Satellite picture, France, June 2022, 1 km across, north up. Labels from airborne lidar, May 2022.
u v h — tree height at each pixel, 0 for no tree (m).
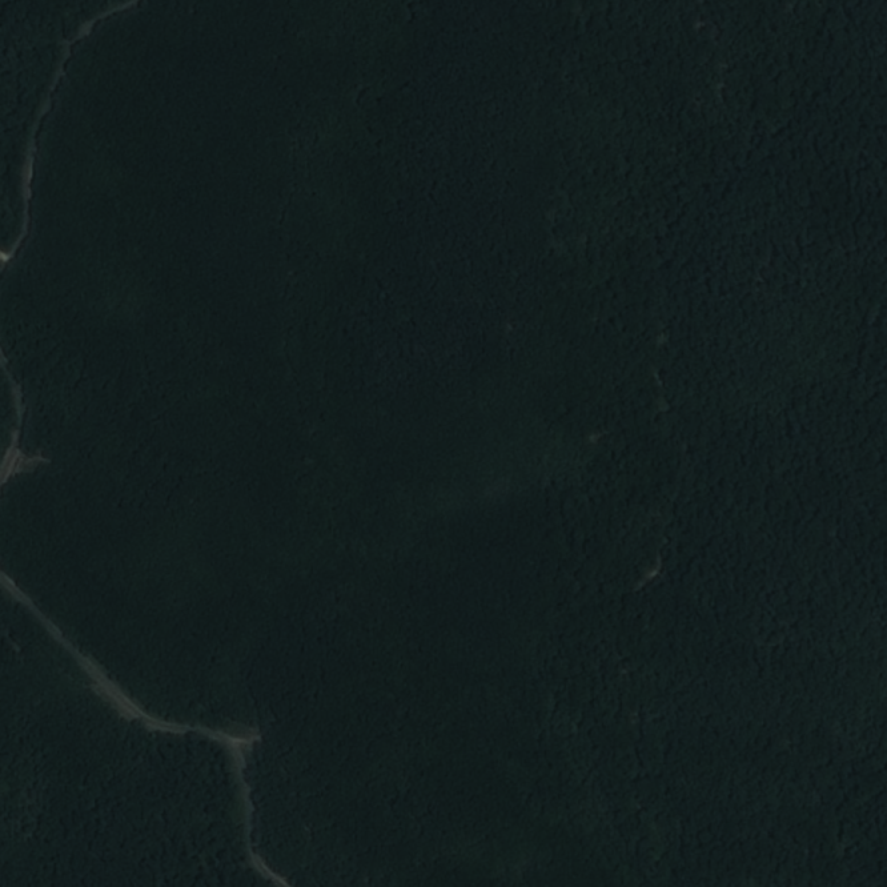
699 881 19
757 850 15
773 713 12
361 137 24
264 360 16
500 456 9
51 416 17
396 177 25
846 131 33
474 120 16
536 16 18
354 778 15
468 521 18
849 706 16
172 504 15
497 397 11
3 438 10
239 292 16
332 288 16
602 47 24
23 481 14
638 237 30
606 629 24
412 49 23
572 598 13
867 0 21
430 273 17
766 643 6
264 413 23
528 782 19
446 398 11
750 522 29
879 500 29
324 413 20
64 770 18
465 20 17
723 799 18
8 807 11
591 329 22
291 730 16
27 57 19
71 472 15
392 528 10
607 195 23
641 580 28
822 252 18
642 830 23
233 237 14
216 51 18
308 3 14
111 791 21
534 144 12
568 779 16
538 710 12
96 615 22
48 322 22
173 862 26
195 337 20
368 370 20
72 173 15
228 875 24
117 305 6
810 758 18
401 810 21
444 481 9
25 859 9
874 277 20
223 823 24
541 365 15
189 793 22
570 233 15
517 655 13
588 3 17
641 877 17
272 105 15
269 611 20
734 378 14
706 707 14
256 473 21
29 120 19
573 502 20
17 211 8
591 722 24
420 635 21
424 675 24
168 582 11
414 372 15
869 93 23
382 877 10
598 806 15
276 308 15
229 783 24
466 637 16
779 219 24
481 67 18
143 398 16
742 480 26
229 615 22
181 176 15
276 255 15
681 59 23
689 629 14
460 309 16
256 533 11
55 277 10
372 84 21
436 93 18
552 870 14
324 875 17
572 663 19
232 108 17
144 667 16
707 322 17
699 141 28
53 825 16
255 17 17
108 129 17
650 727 27
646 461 24
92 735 12
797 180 31
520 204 14
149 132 17
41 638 12
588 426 19
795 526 26
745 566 14
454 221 21
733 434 25
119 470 21
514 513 23
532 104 13
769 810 16
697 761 13
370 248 22
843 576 21
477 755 20
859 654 15
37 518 17
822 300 15
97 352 22
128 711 0
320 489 21
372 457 13
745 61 28
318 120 16
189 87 18
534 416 13
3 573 11
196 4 14
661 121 28
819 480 18
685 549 30
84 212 19
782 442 29
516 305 17
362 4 17
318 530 23
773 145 28
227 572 18
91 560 14
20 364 13
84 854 23
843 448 24
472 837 13
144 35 18
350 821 25
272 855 12
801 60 29
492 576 21
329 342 22
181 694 12
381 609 20
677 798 25
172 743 22
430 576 19
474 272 18
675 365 27
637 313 31
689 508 33
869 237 13
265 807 11
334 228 11
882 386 21
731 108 25
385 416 7
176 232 20
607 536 12
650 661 26
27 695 10
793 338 13
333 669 18
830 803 20
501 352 18
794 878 17
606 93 20
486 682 15
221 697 12
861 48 17
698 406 19
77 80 16
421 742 14
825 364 16
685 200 27
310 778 17
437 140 15
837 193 16
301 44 10
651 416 22
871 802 7
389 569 12
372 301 24
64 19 11
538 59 15
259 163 14
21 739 13
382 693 22
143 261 18
